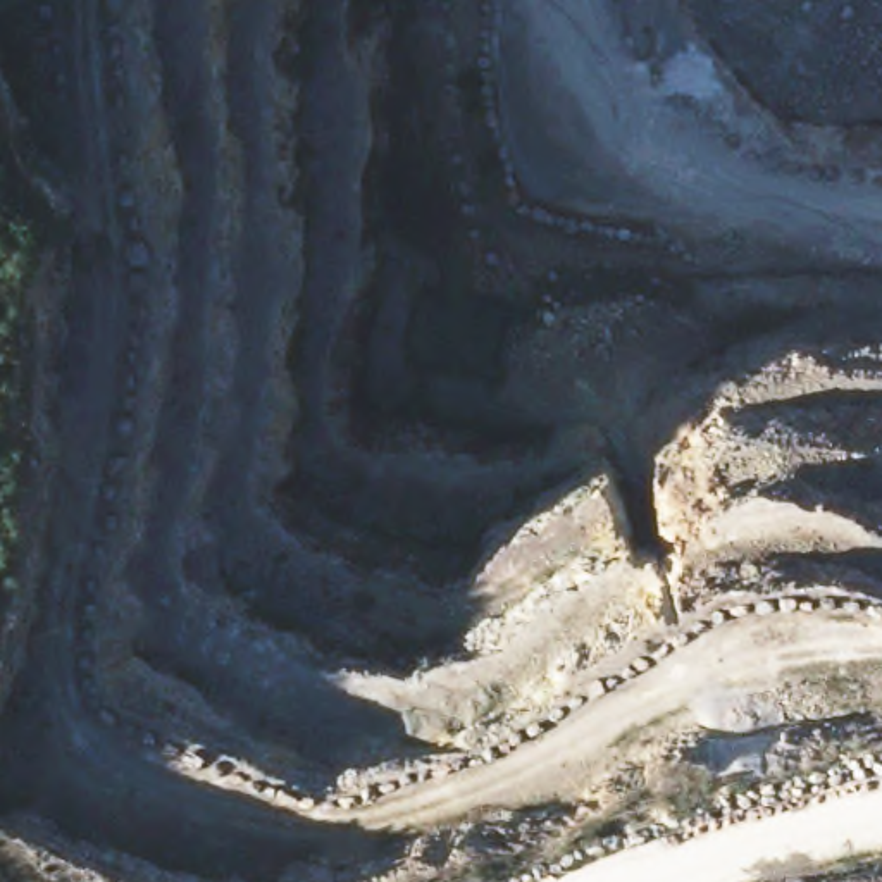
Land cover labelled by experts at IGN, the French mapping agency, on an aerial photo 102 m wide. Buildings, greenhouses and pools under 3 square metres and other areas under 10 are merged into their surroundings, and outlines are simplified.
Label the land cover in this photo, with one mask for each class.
<instances>
[{"label":"pervious surface","instance_id":"1","mask_svg":"<svg viewBox=\"0 0 882 882\"><path fill-rule=\"evenodd\" d=\"M0 121L7 131H24L31 148V169L24 172V179L45 217L59 221V234L45 248H34L17 276L21 296L34 307V451L28 462L31 479H24L14 489L17 541L7 555L0 551V882H882V0H0Z\"/></svg>","mask_w":882,"mask_h":882},{"label":"brushwood","instance_id":"2","mask_svg":"<svg viewBox=\"0 0 882 882\"><path fill-rule=\"evenodd\" d=\"M31 169V148L24 131H7L0 121V551L7 555L17 541L14 489L24 479H31L28 462L34 451V307L21 296L17 276L34 248H45L59 234V221L45 217L24 179V172Z\"/></svg>","mask_w":882,"mask_h":882}]
</instances>
